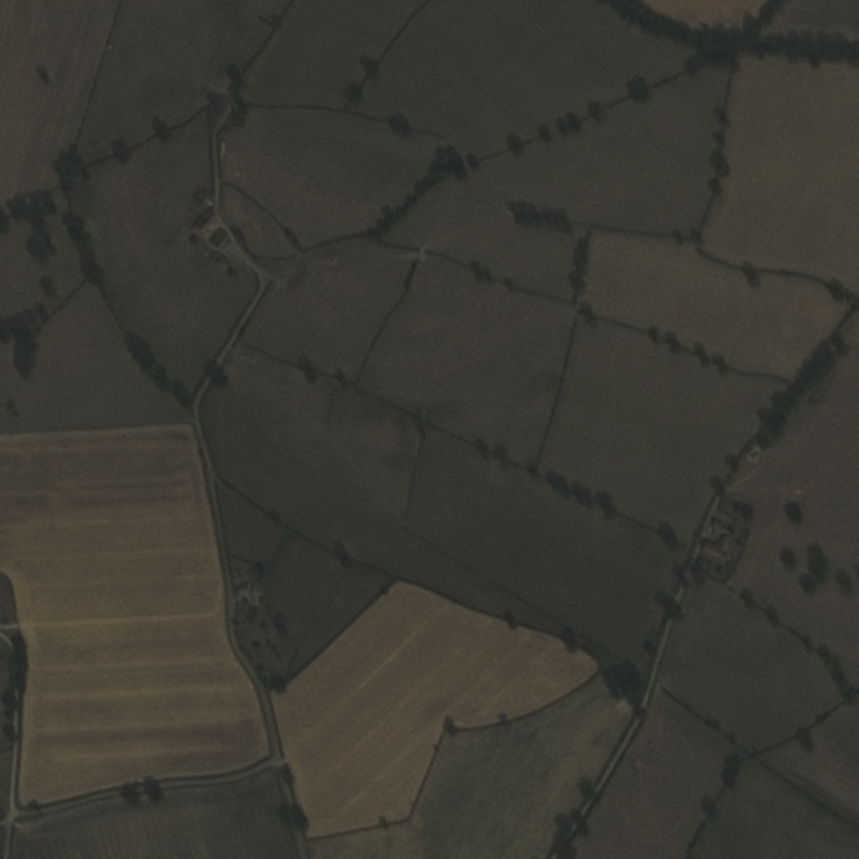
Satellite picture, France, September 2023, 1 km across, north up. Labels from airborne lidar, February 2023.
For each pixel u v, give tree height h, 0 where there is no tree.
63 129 0
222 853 0
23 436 0
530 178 0
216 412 0
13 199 0
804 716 0
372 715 0
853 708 0
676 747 0
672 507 0
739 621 0
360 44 0
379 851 0
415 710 0
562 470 0
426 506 0
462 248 0
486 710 0
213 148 0
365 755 0
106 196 0
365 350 0
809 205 0
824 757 0
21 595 0
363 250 0
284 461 0
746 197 0
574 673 0
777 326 0
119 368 0
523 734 0
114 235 0
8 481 0
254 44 0
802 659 0
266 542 0
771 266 0
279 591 0
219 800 0
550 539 0
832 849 0
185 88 0
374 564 0
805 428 0
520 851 0
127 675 0
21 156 0
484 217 0
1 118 0
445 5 0
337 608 0
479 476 0
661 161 0
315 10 0
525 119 0
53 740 0
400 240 0
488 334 0
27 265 0
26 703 0
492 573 0
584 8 0
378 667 0
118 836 0
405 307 0
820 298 0
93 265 19
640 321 0
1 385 0
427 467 0
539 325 0
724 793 0
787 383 0
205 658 0
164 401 0
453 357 0
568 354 0
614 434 0
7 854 0
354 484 0
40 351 0
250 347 0
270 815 0
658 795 0
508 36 0
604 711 0
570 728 0
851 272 0
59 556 0
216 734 0
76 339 0
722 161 17
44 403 0
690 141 0
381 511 0
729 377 0
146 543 0
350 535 0
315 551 0
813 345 0
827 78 0
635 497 0
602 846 0
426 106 0
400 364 0
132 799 15
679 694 0
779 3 14
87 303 0
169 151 0
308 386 0
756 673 0
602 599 0
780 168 0
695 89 0
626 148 0
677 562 0
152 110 0
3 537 0
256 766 0
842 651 0
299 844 0
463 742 0
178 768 0
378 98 0
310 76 0
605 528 0
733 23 0
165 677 0
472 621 0
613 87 0
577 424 0
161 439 0
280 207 0
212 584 0
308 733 0
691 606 0
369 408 0
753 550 0
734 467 13
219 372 17
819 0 0
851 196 0
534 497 0
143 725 0
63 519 0
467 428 0
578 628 0
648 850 0
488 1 0
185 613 0
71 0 0
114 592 0
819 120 0
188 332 0
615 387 0
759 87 0
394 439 0
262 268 0
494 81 0
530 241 0
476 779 0
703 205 0
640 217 0
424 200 0
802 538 0
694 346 0
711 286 0
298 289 0
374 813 0
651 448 0
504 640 0
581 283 14
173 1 0
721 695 0
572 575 0
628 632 0
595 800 8
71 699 0
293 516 0
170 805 0
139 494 0
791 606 0
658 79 0
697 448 0
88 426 0
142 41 0
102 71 0
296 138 0
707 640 0
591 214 0
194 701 0
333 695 0
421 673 0
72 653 0
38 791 0
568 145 0
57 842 0
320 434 0
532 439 0
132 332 0
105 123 0
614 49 0
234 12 0
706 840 0
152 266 0
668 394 0
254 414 0
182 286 0
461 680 0
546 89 0
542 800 0
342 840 0
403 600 0
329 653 0
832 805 0
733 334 0
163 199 0
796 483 0
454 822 0
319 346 0
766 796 0
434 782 0
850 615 0
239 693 0
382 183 0
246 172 0
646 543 0
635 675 19
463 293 0
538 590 0
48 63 0
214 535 0
